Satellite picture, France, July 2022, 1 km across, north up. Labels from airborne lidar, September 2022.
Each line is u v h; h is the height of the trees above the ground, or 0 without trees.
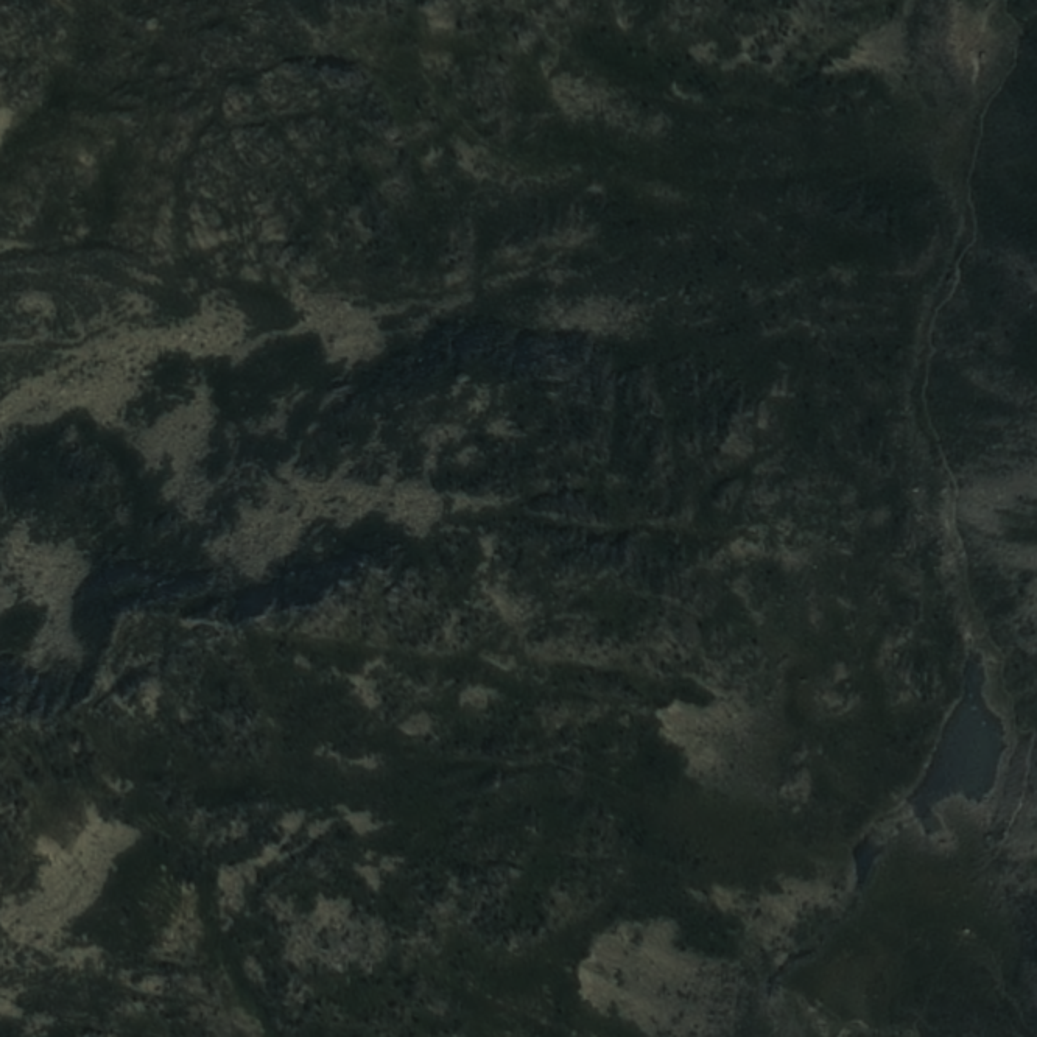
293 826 0
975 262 0
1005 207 0
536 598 0
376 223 8
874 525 0
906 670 0
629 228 7
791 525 0
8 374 0
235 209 0
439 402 0
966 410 0
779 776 0
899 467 0
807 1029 0
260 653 0
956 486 0
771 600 0
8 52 0
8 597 0
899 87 0
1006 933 0
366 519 0
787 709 0
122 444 0
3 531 0
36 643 0
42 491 0
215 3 0
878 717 0
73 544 0
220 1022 0
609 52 0
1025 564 0
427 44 0
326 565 10
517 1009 0
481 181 0
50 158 0
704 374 7
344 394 0
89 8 0
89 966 0
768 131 0
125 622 0
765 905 0
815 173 0
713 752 0
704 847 0
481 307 0
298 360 0
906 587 0
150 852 0
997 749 0
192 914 0
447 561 8
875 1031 0
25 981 0
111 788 0
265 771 0
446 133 0
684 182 0
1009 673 0
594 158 0
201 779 0
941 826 0
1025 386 0
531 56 0
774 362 0
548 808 0
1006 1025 0
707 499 0
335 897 0
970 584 0
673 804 0
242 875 0
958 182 0
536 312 0
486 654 0
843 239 0
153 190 0
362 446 0
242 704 7
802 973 0
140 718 0
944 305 0
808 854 0
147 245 0
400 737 0
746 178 0
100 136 0
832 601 0
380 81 0
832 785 0
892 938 0
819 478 0
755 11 6
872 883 0
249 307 0
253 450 0
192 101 0
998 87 0
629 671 0
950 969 0
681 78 0
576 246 0
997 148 0
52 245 0
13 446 0
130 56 0
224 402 0
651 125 0
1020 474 0
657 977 0
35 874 0
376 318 0
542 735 0
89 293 0
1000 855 0
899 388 0
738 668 0
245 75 0
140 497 0
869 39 0
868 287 0
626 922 0
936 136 0
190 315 0
